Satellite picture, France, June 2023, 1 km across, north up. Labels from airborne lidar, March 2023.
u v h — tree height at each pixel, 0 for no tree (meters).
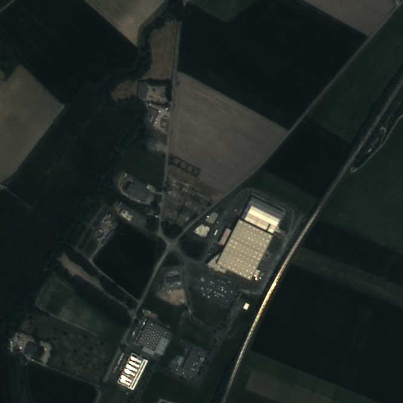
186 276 0
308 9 0
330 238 0
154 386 0
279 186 0
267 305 0
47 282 0
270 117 0
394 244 0
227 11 0
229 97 0
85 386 0
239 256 0
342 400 0
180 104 0
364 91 0
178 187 0
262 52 0
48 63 0
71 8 0
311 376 0
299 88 0
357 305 0
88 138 0
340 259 0
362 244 0
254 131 0
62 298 0
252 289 0
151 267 0
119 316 38
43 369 0
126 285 0
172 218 0
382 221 0
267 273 0
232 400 0
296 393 0
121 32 0
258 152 0
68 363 0
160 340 0
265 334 0
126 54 0
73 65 0
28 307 24
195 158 0
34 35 0
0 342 0
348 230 0
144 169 0
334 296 0
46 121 0
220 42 0
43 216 0
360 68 0
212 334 0
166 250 0
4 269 0
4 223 0
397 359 0
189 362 0
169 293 0
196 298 0
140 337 0
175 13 24
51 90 0
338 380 0
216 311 0
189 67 0
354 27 0
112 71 0
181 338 0
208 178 0
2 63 12
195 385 0
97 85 0
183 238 7
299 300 0
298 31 0
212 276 0
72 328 0
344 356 0
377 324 0
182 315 0
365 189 0
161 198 0
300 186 0
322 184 0
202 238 0
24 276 0
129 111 0
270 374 0
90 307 0
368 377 0
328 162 0
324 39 0
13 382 0
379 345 0
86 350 0
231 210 0
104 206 0
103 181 8
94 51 0
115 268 0
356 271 0
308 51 0
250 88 0
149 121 0
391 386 0
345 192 0
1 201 0
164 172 0
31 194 0
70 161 0
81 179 0
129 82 0
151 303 0
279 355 0
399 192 0
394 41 0
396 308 0
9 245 0
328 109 0
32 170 0
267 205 0
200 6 0
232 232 0
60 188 0
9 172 0
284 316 0
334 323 0
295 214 0
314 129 0
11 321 21
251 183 0
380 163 0
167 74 0
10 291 0
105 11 0
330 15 0
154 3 0
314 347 0
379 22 0
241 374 0
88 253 0
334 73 0
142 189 0
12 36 0
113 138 0
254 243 0
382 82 0
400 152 0
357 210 0
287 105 0
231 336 0
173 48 0
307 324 0
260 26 0
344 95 0
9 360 0
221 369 0
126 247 0
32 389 0
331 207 0
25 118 0
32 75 0
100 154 0
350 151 11
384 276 0
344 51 0
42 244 0
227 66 0
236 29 0
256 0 0
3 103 0
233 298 0
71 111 0
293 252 0
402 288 0
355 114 0
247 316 0
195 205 0
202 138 0
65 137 0
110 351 0
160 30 0
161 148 0
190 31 0
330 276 0
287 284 0
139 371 0
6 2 0
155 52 0
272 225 0
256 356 0
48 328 0
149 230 0
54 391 0
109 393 0
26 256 0
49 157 0
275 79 0
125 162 0
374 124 0
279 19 0
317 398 0
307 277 0
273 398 0
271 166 0
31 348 0
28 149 0
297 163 0
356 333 0
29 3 0
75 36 0
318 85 0
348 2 0
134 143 16
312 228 0
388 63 0
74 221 16
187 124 0
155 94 0
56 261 18
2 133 0
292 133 0
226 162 0
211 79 0
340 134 0
